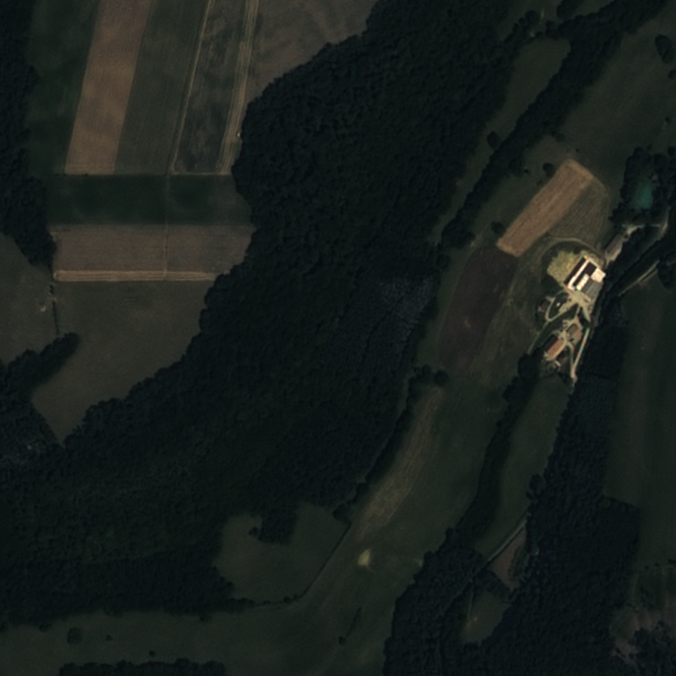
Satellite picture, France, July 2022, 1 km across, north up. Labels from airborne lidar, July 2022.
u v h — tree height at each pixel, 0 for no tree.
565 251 0
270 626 0
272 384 26
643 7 21
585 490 22
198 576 22
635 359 0
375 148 28
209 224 0
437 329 0
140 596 22
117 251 0
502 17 16
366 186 31
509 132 0
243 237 0
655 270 0
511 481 0
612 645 24
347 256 28
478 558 21
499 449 12
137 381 0
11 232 18
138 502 18
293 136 26
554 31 19
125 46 0
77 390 0
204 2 0
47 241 20
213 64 0
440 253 14
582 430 21
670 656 25
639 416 0
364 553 0
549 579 23
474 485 0
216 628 0
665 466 0
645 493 0
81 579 16
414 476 0
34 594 19
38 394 0
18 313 0
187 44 0
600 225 0
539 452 0
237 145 0
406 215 20
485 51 27
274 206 23
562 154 0
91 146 0
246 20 0
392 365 24
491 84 21
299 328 24
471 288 0
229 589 13
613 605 24
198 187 0
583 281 0
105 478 18
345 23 0
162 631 0
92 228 0
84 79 0
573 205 0
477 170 0
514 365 0
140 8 0
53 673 0
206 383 16
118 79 0
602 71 13
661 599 0
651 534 0
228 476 13
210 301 17
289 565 0
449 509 0
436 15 24
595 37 22
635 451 0
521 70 0
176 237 0
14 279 0
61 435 0
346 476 25
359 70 24
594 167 0
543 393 0
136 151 0
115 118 0
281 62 0
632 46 0
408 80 28
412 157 14
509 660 22
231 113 0
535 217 0
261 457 14
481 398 0
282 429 14
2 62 11
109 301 0
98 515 20
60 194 0
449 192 24
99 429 16
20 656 0
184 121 0
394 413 18
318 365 20
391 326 25
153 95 0
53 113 0
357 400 16
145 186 0
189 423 19
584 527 22
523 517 0
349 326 25
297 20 0
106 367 0
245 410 26
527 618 24
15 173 15
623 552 11
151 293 0
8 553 12
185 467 21
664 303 0
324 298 20
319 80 22
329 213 24
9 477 20
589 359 11
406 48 22
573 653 26
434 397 0
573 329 0
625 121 0
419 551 0
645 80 0
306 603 0
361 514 0
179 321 0
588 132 0
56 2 0
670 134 0
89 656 0
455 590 25
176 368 16
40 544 25
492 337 0
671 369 0
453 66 28
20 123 17
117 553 12
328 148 24
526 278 0
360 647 0
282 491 12
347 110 25
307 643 0
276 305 22
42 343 0
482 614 0
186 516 23
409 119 32
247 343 18
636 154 14
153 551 17
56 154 0
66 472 19
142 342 0
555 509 20
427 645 16
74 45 0
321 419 14
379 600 0
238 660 0
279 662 0
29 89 16
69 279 0
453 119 25
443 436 0
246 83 0
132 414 14
